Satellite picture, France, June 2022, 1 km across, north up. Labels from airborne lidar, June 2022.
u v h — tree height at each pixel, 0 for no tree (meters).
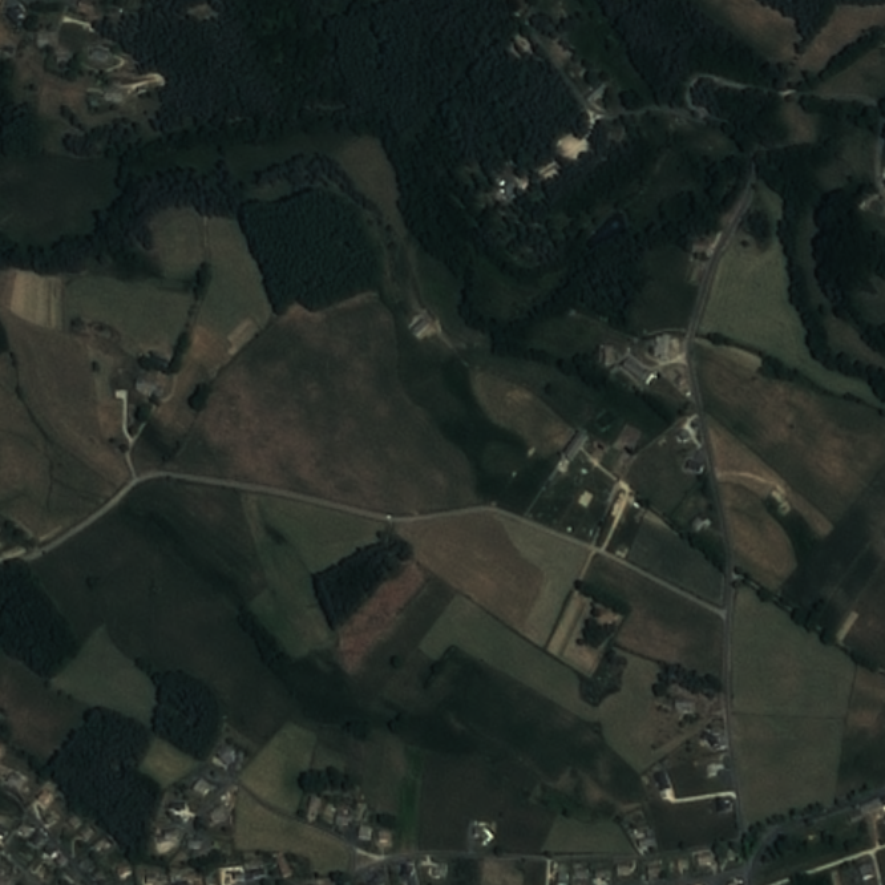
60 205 0
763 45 0
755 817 0
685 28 12
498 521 0
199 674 0
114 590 0
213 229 0
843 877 0
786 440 0
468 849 0
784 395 0
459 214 18
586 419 0
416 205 11
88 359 0
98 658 0
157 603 0
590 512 0
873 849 0
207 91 23
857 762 0
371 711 0
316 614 0
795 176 18
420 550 0
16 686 0
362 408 0
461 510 0
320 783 23
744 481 0
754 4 0
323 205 29
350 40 28
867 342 10
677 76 20
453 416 0
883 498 0
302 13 12
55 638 22
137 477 0
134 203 23
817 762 0
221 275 0
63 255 27
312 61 20
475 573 0
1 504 0
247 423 0
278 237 29
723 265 0
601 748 0
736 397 0
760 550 0
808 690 0
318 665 0
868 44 21
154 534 0
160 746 0
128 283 0
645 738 0
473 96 23
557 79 22
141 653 0
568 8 0
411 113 25
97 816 15
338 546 0
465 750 0
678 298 0
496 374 0
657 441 0
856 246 19
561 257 9
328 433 0
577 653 0
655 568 0
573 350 0
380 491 0
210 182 20
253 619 12
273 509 0
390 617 0
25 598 25
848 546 0
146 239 17
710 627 0
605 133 18
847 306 17
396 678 0
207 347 0
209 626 0
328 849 0
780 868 0
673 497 0
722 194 14
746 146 25
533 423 0
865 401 14
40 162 0
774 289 0
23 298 0
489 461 0
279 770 0
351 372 0
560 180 18
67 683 0
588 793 0
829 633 15
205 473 0
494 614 0
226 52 16
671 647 0
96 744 21
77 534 0
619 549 0
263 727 0
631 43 21
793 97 13
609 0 19
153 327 0
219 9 21
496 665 0
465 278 9
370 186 0
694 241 19
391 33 21
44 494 0
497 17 20
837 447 0
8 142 27
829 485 0
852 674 0
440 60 20
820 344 24
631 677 0
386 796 0
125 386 0
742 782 0
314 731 0
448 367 0
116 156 15
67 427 0
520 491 0
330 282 27
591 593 28
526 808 0
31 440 0
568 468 0
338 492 0
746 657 0
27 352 0
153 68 17
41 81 0
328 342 0
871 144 0
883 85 0
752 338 0
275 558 0
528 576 0
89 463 0
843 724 0
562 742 0
